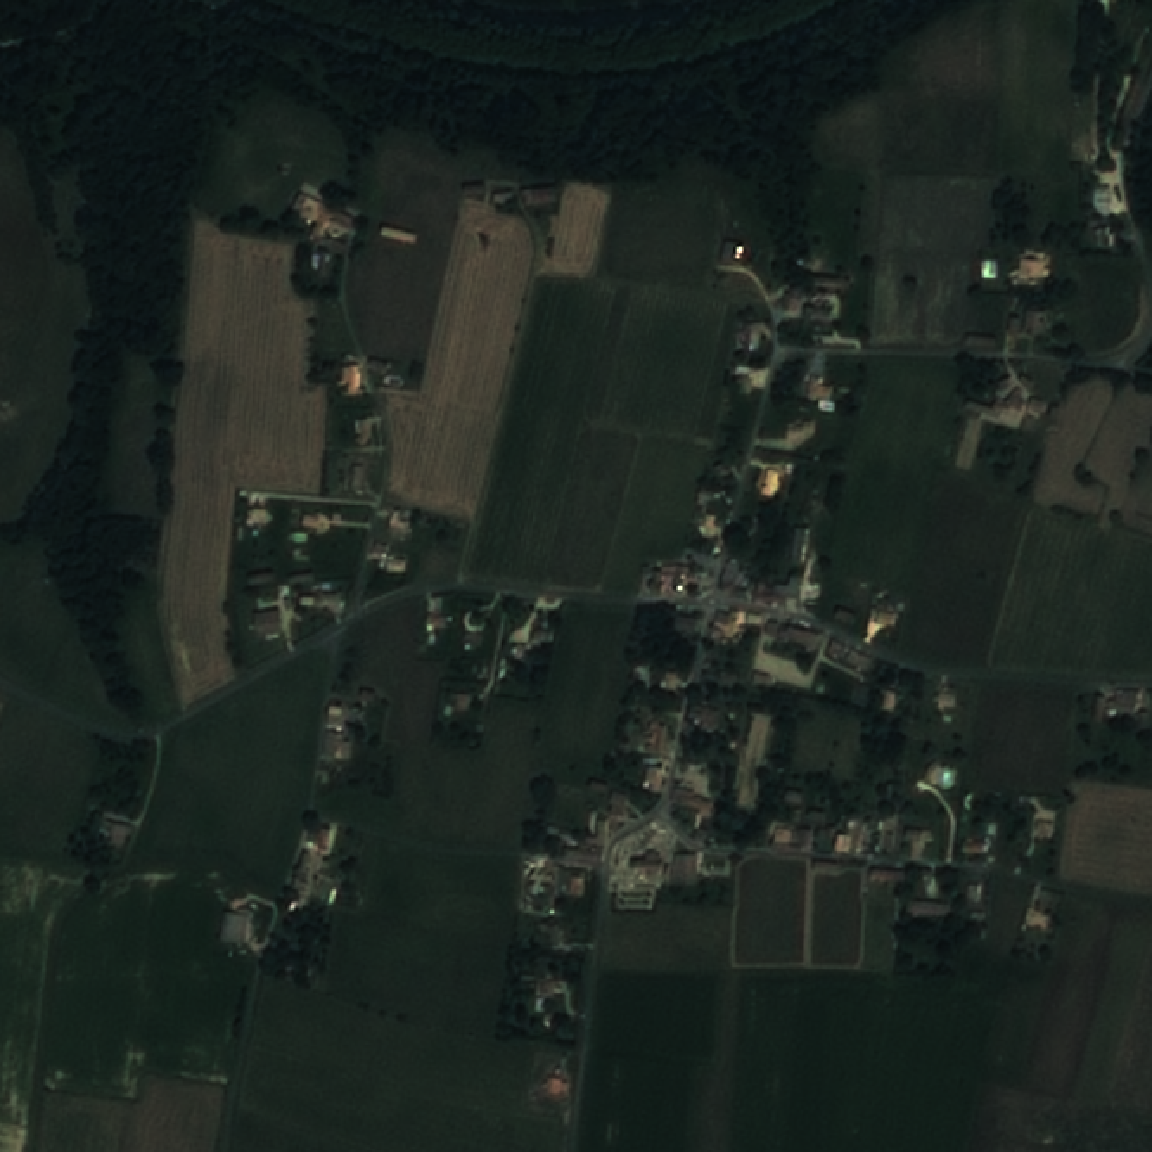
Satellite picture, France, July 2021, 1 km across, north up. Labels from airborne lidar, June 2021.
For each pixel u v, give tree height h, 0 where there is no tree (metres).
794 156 15
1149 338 0
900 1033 0
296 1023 0
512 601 14
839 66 21
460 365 0
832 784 8
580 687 0
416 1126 0
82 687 0
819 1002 0
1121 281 0
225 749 0
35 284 0
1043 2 0
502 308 0
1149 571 0
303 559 0
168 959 0
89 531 17
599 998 0
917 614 0
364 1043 0
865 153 0
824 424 0
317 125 0
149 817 0
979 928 9
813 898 0
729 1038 0
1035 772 0
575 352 0
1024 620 0
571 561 0
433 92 25
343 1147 0
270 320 0
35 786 0
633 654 18
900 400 0
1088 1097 0
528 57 29
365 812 0
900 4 11
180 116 9
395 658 0
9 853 0
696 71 15
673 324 0
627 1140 0
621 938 0
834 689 0
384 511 0
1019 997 0
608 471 0
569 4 0
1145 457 10
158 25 19
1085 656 0
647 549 0
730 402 0
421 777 0
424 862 0
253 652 0
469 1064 0
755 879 0
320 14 29
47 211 8
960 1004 0
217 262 0
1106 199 0
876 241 0
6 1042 0
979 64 0
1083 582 0
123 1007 0
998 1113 0
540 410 0
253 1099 0
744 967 0
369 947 0
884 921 0
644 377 0
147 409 0
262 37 18
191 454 0
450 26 39
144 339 17
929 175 0
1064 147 0
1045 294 6
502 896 0
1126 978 0
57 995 0
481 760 0
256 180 0
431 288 0
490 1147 0
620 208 0
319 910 6
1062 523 0
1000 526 0
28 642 0
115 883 0
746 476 0
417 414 0
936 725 0
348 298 0
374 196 0
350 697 0
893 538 0
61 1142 0
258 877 0
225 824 0
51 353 0
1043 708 0
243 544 0
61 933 0
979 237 0
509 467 0
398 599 0
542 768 0
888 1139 0
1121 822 0
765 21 33
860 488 0
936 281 0
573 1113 0
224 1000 0
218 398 0
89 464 26
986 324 0
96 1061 0
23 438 0
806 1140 0
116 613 15
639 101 29
